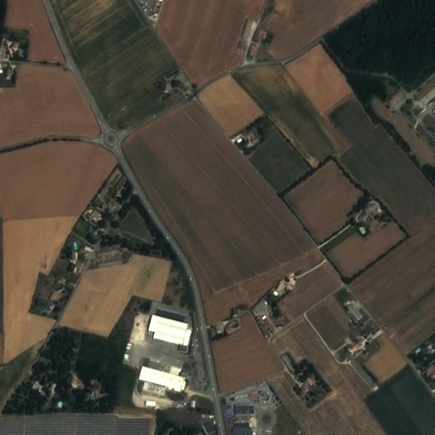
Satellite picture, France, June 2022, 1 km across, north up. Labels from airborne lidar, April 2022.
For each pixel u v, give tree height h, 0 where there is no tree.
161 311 0
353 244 0
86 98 0
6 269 0
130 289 0
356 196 0
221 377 0
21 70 0
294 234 0
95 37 0
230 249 0
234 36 0
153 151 0
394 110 0
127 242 6
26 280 0
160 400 0
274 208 0
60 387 14
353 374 0
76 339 13
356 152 0
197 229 0
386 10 12
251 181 0
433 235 0
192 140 0
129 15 0
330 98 0
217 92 0
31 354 0
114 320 0
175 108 0
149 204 0
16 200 0
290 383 0
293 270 0
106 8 0
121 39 0
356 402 0
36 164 0
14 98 0
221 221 0
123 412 0
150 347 0
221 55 0
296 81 0
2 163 0
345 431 0
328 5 0
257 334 0
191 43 0
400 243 9
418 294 0
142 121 0
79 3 0
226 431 0
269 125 0
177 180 0
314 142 0
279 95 0
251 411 0
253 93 0
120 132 0
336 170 0
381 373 0
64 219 0
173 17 0
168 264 0
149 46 0
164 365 0
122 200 9
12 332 0
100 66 0
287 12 0
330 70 0
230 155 0
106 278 0
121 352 0
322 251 12
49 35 0
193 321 0
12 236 0
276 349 0
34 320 0
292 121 0
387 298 0
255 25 0
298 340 0
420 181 0
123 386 0
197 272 0
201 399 0
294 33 0
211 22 0
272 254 0
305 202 0
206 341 0
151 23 0
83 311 0
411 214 0
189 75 0
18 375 0
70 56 0
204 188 0
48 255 0
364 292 0
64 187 0
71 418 0
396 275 0
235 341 0
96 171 0
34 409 15
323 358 0
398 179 0
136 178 0
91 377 7
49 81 0
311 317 0
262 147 0
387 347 0
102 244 12
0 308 0
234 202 0
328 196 0
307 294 0
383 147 0
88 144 0
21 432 0
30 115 0
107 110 0
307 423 0
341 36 8
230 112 0
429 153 0
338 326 0
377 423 0
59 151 0
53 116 0
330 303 0
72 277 0
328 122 0
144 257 0
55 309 8
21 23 0
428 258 0
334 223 0
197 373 0
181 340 0
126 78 0
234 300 0
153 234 15
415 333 0
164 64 0
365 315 0
